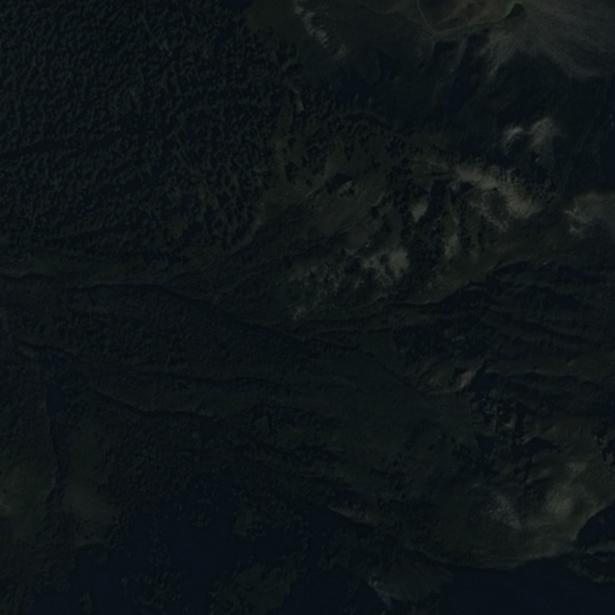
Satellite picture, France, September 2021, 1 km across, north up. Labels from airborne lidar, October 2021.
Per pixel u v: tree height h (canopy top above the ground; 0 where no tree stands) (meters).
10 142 33
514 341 0
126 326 6
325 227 0
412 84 0
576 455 0
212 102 19
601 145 0
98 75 24
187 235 7
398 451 0
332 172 0
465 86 0
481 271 0
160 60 21
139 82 20
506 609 0
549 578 0
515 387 0
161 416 6
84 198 8
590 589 0
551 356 0
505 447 0
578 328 0
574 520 0
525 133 0
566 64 0
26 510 0
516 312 0
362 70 0
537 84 0
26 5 21
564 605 0
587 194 0
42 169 18
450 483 0
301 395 0
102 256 14
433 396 0
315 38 0
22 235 8
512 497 0
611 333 0
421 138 0
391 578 0
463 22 0
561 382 0
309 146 10
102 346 8
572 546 0
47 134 14
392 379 0
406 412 0
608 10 0
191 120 11
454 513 0
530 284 0
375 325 0
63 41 28
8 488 0
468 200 0
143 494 6
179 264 24
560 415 0
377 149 0
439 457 0
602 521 0
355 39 0
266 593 0
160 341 8
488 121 0
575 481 0
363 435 0
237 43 10
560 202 0
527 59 0
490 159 0
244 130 22
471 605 0
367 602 0
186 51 11
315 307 0
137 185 6
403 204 15
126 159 32
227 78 6
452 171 0
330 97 10
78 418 8
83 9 23
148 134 28
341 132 13
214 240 21
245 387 8
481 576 0
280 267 5
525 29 0
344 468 0
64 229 32
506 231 0
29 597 6
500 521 0
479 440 0
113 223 30
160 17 19
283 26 0
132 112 8
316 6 0
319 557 7
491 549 0
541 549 0
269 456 7
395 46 0
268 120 7
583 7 0
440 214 6
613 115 0
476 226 0
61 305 11
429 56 0
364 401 0
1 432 7
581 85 0
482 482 0
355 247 0
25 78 33
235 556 7
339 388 0
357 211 0
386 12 0
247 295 5
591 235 0
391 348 0
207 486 6
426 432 0
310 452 7
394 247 0
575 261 0
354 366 0
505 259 0
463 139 0
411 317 0
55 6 27
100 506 0
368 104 0
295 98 9
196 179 11
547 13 0
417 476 0
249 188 22
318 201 0
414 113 0
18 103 10
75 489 0
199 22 12
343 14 0
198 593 9
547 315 0
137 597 7
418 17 0
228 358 13
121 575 7
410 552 0
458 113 0
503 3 0
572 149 0
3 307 6
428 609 0
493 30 0
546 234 0
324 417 0
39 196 35
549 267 0
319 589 6
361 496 0
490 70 0
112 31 14
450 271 0
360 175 0
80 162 24
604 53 0
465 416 0
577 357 0
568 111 0
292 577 0
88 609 5
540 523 0
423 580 0
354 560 0
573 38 0
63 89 20
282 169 0
